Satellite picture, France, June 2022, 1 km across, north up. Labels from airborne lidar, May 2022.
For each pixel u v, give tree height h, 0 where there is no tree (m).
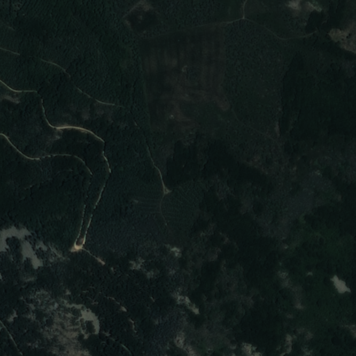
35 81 16
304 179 0
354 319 15
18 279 9
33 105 26
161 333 13
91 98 7
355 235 10
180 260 6
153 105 0
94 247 14
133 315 16
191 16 8
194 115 0
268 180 6
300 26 7
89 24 15
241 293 8
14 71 6
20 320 18
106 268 15
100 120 15
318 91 11
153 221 8
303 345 7
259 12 0
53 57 6
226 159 13
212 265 15
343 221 11
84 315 0
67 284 12
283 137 9
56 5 11
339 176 8
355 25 0
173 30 0
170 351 7
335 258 11
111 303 23
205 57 0
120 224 13
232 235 14
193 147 11
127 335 17
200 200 9
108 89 12
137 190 8
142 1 0
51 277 9
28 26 11
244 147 10
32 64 17
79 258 11
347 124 18
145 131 15
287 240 8
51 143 7
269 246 11
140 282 18
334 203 10
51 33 9
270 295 17
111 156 20
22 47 10
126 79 12
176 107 0
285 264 6
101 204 8
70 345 0
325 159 6
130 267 12
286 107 11
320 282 7
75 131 18
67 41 6
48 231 9
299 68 12
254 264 27
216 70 0
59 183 33
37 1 11
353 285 22
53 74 7
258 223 7
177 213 6
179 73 0
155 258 10
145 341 12
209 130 0
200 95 0
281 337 14
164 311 11
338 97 15
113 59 12
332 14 8
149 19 0
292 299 6
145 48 0
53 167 17
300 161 0
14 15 12
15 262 9
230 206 13
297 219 8
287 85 10
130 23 0
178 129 0
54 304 6
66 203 18
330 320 8
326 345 8
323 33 0
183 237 0
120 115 10
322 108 12
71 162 29
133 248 10
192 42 0
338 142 0
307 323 6
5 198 25
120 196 12
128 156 13
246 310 7
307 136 10
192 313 8
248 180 11
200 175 13
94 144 22
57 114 10
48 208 20
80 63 7
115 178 15
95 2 15
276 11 0
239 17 0
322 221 15
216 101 0
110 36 11
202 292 16
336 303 8
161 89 0
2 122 14
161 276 13
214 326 0
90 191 12
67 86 13
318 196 8
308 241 10
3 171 16
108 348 29
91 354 7
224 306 10
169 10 10
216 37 0
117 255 10
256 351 6
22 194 19
